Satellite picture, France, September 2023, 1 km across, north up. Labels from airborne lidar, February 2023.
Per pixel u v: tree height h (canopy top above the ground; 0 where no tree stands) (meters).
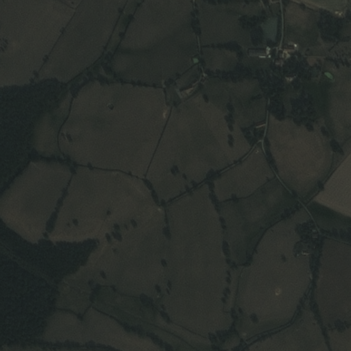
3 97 20
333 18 9
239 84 0
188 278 0
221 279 0
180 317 0
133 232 0
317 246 14
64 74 0
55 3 0
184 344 0
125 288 0
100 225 0
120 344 0
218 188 0
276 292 0
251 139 12
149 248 0
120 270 0
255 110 0
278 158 0
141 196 0
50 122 0
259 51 0
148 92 0
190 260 0
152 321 0
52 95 14
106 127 0
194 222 0
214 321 0
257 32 24
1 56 0
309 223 7
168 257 0
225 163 0
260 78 26
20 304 20
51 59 0
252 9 0
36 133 0
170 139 0
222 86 0
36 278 24
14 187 0
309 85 0
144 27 0
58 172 0
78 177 0
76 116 0
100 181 0
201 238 0
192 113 0
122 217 0
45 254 21
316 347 0
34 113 20
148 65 0
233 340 0
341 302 0
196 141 0
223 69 0
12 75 0
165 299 0
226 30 0
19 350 0
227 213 0
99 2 0
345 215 0
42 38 0
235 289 0
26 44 0
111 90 0
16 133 17
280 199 0
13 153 20
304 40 0
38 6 0
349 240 17
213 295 0
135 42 0
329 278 0
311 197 0
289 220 0
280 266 0
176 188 0
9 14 0
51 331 0
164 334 0
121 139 0
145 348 0
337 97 0
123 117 0
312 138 0
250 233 0
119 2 0
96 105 0
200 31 16
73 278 0
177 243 0
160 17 0
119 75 0
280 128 0
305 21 0
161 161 0
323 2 0
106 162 0
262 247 0
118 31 0
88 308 0
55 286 19
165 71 0
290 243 0
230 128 13
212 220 0
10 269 25
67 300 0
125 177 0
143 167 0
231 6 0
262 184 0
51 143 0
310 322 0
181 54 0
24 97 18
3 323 19
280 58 0
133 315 0
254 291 0
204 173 0
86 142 0
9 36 0
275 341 0
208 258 0
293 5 0
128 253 0
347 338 0
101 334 0
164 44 0
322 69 0
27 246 18
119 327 0
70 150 0
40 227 0
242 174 0
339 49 0
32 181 0
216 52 0
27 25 0
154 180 0
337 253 0
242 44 0
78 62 0
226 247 19
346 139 0
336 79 0
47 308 23
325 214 0
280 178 0
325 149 0
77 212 0
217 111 0
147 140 0
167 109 0
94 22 0
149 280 0
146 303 20
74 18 0
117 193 0
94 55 0
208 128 0
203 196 0
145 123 0
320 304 0
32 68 0
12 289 22
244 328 0
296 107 23
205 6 0
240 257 0
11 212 0
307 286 0
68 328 0
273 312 0
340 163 0
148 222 0
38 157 17
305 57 0
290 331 0
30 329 24
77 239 0
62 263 24
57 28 0
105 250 0
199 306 0
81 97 0
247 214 0
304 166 0
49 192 0
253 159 0
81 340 0
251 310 0
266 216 0
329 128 0
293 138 0
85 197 0
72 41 0
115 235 15
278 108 19
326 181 0
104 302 0
